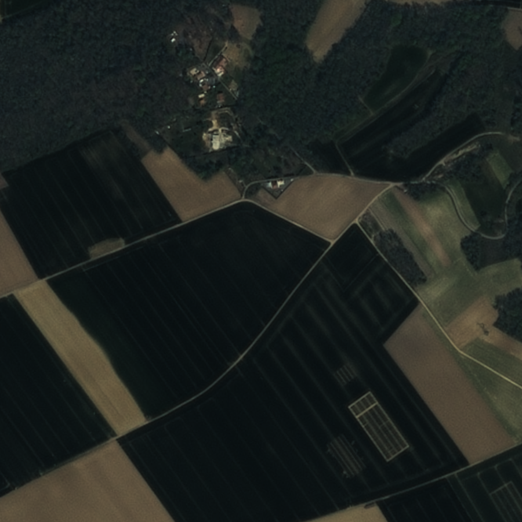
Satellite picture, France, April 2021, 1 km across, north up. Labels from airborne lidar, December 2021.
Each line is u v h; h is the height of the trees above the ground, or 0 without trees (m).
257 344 0
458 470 0
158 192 0
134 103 20
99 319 0
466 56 22
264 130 13
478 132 0
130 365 0
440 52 14
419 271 18
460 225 0
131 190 0
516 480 0
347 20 0
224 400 0
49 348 0
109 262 0
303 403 0
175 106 19
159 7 14
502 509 0
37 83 23
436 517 0
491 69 25
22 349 0
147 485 0
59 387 0
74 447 0
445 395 0
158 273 0
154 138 10
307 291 0
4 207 0
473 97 15
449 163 0
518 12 0
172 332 0
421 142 20
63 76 16
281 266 0
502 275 0
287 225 0
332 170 0
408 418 0
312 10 28
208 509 0
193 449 0
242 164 17
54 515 0
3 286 0
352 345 0
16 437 0
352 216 0
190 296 0
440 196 0
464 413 0
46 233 0
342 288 0
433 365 0
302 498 0
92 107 12
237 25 0
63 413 0
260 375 0
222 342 0
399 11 22
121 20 12
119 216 0
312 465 0
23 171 0
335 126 26
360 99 21
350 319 0
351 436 0
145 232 0
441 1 0
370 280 0
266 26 24
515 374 0
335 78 21
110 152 0
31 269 0
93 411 0
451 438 0
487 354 0
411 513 0
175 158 0
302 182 0
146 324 0
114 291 0
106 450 0
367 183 0
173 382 0
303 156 18
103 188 0
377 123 0
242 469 0
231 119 0
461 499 0
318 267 0
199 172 17
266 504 0
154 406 0
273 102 28
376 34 15
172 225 0
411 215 0
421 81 0
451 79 16
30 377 0
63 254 0
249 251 0
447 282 0
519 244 21
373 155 0
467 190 0
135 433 0
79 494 0
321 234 0
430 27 27
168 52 21
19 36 15
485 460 0
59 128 19
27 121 22
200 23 29
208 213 0
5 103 19
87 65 18
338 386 0
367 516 0
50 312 0
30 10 0
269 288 0
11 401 0
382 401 0
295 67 31
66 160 0
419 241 0
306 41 22
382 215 0
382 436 0
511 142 0
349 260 0
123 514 0
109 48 18
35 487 0
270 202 0
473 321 0
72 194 0
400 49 0
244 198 0
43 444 0
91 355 0
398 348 0
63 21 17
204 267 0
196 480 0
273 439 0
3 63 20
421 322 0
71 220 0
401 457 0
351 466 0
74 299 0
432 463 0
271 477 0
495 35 23
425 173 9
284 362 0
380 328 0
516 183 24
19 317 0
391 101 0
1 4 0
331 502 0
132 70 22
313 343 0
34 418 0
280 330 0
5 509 0
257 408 0
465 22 25
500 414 0
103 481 0
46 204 0
